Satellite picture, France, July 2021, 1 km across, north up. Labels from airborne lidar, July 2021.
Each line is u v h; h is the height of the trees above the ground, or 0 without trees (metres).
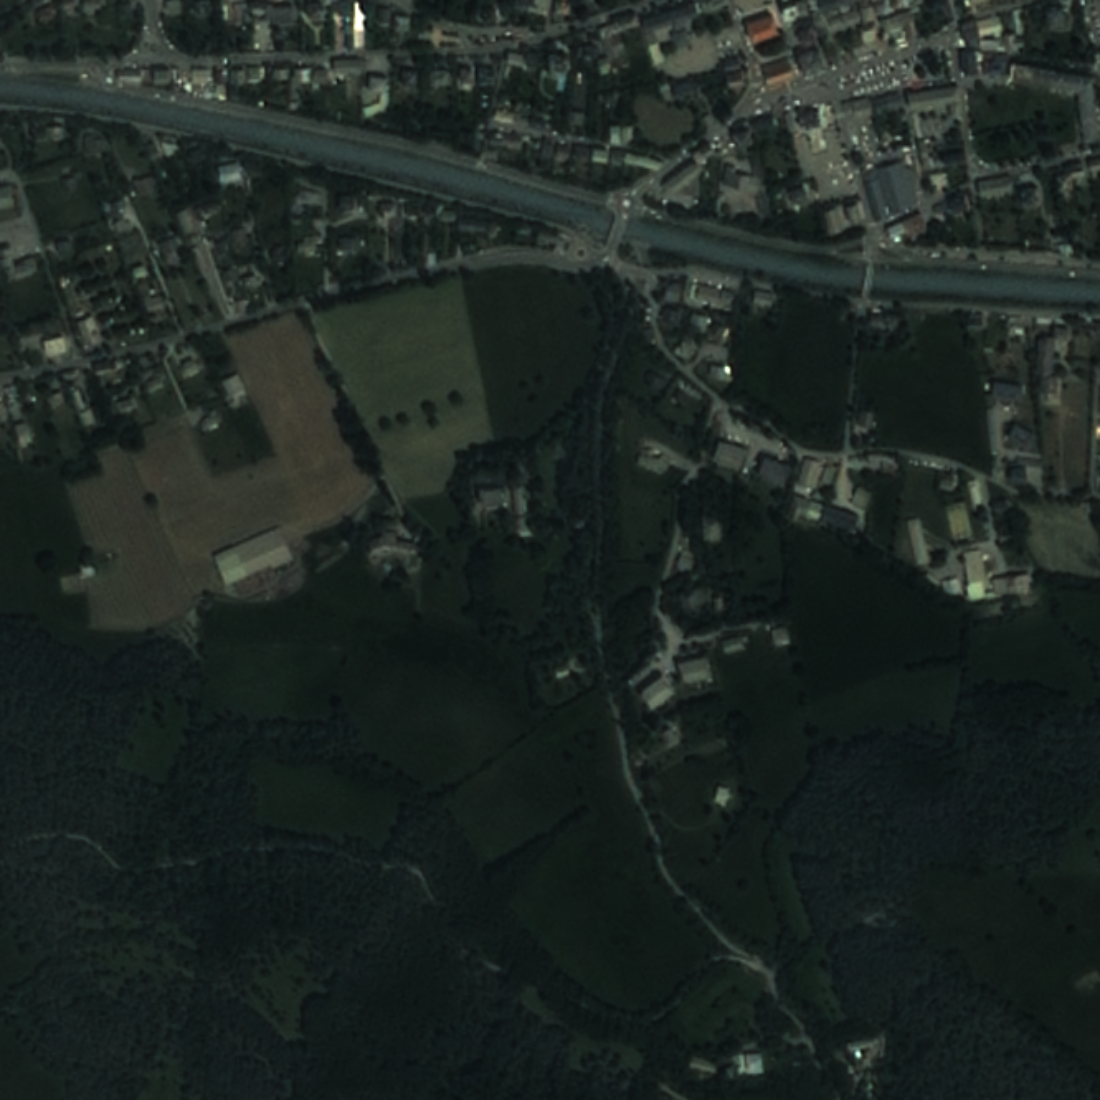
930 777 20
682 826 0
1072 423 0
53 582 0
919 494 0
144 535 0
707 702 14
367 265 11
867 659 0
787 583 10
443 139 10
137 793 18
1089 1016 0
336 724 7
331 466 0
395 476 0
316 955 6
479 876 23
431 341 0
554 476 0
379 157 0
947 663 12
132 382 14
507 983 23
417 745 0
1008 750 15
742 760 7
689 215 12
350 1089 19
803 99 0
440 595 0
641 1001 0
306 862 19
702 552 12
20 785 12
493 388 0
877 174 0
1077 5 6
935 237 8
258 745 7
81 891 9
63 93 0
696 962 0
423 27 12
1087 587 11
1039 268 0
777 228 10
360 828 0
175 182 9
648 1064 10
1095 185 7
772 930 0
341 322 0
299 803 0
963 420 0
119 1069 10
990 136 6
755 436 0
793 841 15
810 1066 10
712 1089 7
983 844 12
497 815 0
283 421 0
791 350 0
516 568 0
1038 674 0
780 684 0
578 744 8
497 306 0
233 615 0
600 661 15
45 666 23
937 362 0
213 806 11
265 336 0
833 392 0
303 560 0
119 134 12
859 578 0
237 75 0
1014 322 0
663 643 7
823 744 9
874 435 10
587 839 0
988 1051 13
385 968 16
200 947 7
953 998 12
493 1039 24
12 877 9
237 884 13
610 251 0
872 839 18
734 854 0
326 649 0
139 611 0
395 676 0
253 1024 11
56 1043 11
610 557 12
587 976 0
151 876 8
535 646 12
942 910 0
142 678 23
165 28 7
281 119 0
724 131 0
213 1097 11
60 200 0
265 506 0
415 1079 20
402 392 0
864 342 16
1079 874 0
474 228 0
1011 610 11
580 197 0
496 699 0
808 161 0
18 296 0
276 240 0
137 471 0
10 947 0
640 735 12
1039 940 0
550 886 0
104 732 19
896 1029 8
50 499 0
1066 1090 14
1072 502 12
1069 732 13
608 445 16
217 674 0
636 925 0
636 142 13
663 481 0
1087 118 0
